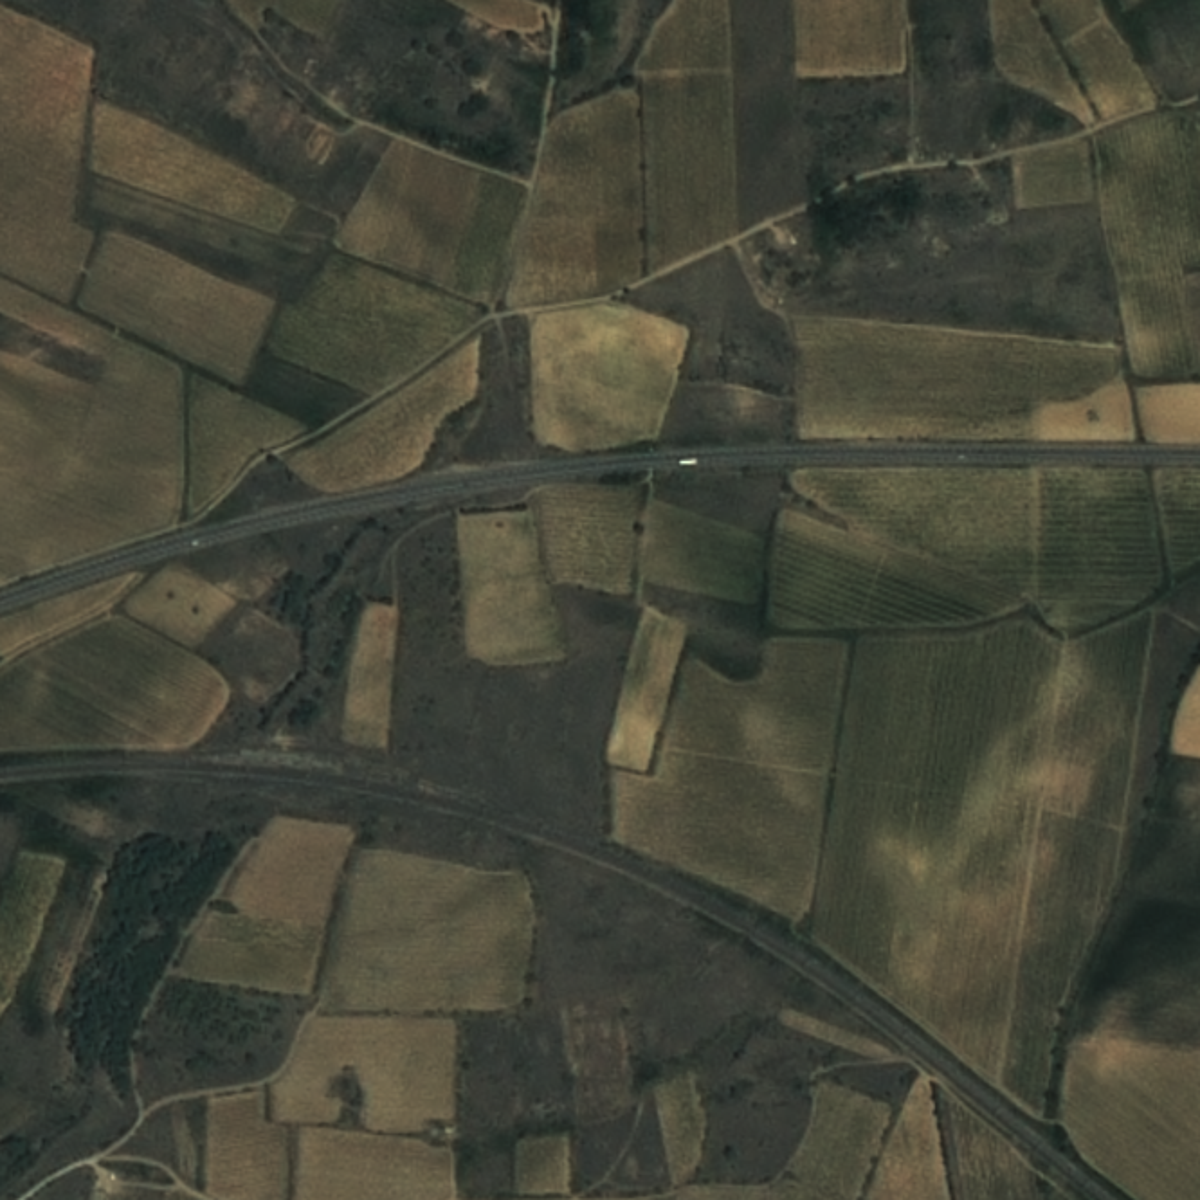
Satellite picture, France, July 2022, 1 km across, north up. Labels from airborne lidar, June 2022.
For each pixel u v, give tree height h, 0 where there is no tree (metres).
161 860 10
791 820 0
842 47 0
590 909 0
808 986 0
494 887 0
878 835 0
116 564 0
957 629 0
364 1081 0
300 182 0
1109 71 0
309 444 0
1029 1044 0
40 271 0
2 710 0
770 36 0
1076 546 0
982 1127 0
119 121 0
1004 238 0
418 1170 0
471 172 0
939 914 0
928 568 0
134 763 0
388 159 0
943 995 0
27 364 0
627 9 0
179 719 0
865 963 0
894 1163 0
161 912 11
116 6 0
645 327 0
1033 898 0
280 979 0
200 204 0
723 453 0
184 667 0
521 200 0
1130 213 0
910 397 0
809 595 0
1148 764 0
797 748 0
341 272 0
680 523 0
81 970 9
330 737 0
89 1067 8
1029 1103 0
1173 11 0
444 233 0
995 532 0
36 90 0
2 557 0
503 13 0
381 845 0
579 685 0
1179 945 0
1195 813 0
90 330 0
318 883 0
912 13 0
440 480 0
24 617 0
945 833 0
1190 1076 0
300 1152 0
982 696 0
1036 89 0
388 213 0
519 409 0
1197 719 0
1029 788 0
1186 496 0
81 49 0
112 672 0
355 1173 0
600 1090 0
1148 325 0
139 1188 0
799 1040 6
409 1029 0
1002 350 0
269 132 0
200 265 0
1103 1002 0
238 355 0
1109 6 0
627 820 0
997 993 0
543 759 0
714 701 0
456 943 0
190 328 0
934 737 0
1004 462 0
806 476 0
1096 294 0
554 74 9
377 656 0
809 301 0
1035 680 0
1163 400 0
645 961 0
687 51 0
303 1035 0
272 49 0
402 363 0
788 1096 0
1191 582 0
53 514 0
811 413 0
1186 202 0
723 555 0
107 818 0
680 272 0
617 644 0
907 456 0
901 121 0
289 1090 0
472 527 0
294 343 0
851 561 0
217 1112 0
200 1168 7
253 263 0
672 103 0
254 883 0
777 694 0
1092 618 0
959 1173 0
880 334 0
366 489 0
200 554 0
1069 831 0
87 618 0
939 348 0
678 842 0
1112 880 0
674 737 0
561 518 0
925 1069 0
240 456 0
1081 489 0
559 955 0
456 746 0
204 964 0
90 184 0
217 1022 6
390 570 0
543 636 0
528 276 0
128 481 0
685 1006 0
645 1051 0
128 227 0
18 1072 0
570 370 0
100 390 0
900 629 0
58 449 0
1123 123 0
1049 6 0
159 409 0
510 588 0
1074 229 0
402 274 0
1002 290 0
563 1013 0
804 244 0
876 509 0
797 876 0
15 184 0
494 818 0
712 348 0
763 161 0
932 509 0
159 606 0
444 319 0
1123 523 0
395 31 0
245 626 0
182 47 0
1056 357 0
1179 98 0
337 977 0
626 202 0
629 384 0
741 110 0
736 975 0
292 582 10
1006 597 0
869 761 0
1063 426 0
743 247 0
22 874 0
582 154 0
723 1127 0
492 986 0
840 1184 0
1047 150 0
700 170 0
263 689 0
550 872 0
